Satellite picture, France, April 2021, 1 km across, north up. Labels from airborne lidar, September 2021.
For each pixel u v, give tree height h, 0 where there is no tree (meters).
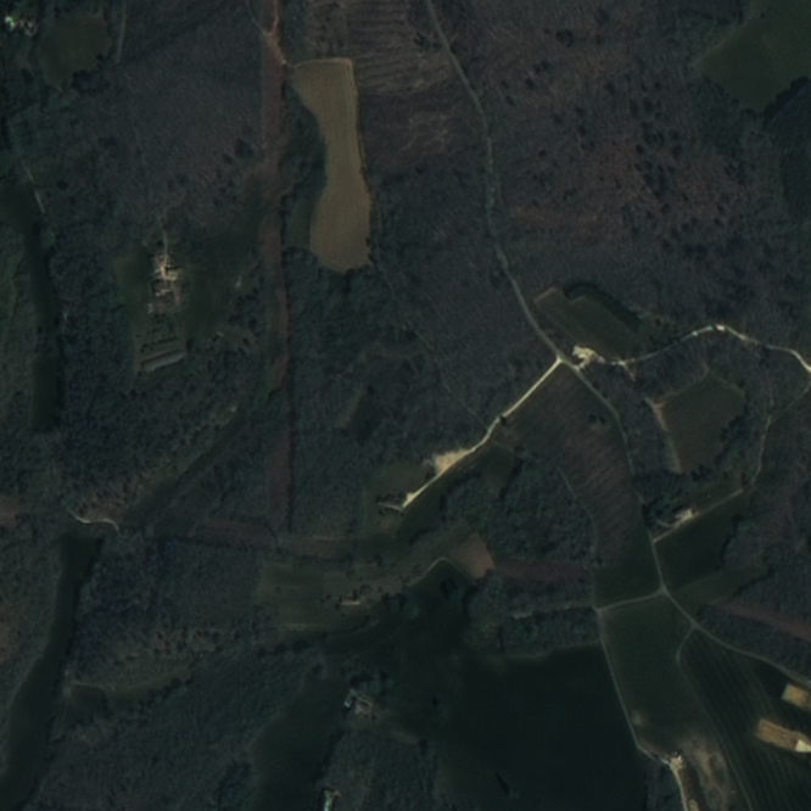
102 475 24
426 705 0
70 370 24
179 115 16
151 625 19
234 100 18
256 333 22
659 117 17
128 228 16
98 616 19
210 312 0
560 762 0
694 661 0
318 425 20
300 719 0
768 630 12
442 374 17
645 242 13
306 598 0
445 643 0
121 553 17
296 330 8
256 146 15
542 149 10
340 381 20
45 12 19
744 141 20
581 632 20
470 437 22
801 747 0
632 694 0
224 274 0
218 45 18
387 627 0
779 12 0
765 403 13
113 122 18
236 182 15
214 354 17
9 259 18
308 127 8
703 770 0
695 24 18
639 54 15
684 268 13
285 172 22
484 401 17
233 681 11
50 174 6
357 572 10
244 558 12
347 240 0
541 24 15
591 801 0
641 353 12
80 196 5
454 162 10
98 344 12
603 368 13
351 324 7
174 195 14
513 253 15
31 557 13
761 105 0
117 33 10
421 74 0
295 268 16
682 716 0
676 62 15
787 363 13
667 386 23
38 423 0
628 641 0
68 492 13
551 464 18
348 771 16
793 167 18
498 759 0
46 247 24
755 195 12
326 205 0
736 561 16
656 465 16
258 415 12
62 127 25
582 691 0
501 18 16
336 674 0
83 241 13
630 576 0
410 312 19
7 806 0
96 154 15
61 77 0
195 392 18
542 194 8
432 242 14
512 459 0
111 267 17
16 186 12
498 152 10
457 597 27
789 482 9
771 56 0
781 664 10
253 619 11
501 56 9
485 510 23
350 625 0
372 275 16
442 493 0
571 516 14
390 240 16
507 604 15
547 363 7
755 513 7
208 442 22
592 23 13
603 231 12
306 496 14
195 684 9
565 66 12
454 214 15
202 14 10
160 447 10
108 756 10
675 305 16
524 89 11
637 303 20
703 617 10
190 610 17
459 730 0
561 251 13
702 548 0
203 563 16
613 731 0
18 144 18
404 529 0
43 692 0
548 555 16
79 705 0
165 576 17
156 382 9
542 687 0
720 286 16
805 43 0
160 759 10
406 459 9
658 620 0
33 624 15
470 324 19
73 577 0
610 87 10
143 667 14
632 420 12
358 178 0
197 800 15
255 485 15
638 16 12
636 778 0
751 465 21
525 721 0
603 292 19
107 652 16
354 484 20
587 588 17
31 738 0
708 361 15
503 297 16
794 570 14
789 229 23
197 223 10
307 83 0
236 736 13
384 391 0
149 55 11
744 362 14
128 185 19
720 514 0
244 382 13
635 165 8
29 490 15
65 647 0
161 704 16
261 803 0
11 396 19
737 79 0
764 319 17
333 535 18
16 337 14
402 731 0
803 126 18
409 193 16
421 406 16
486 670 0
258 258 13
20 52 14
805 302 18
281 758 0
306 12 12
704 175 11
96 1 18
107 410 12
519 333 14
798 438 7
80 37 0
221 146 16
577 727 0
